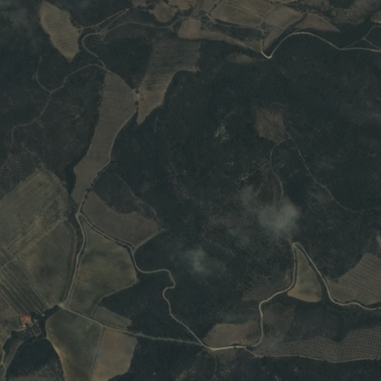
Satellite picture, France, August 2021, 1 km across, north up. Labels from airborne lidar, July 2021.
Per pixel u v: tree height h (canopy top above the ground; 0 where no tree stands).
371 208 8
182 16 0
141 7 6
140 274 6
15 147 0
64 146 0
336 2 0
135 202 0
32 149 0
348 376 0
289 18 0
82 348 0
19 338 11
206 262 0
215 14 0
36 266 0
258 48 0
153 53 0
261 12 0
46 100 0
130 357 0
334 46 0
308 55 0
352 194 7
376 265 0
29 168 0
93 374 0
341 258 0
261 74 0
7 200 0
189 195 0
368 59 0
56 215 0
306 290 0
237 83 0
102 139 0
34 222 0
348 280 0
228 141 0
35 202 0
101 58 5
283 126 0
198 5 0
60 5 0
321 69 0
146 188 0
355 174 6
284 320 0
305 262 0
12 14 0
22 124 0
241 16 0
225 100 0
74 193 0
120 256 0
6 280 0
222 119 0
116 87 0
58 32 0
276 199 0
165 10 0
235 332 0
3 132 0
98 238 0
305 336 0
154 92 0
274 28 0
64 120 0
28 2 0
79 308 0
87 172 0
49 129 0
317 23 0
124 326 0
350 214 6
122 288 0
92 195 0
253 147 8
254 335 0
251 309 0
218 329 0
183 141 0
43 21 0
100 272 0
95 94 0
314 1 0
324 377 0
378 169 0
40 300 0
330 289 0
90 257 0
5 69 0
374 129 0
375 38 0
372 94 0
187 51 0
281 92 0
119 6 0
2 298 0
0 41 0
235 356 0
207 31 0
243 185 6
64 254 0
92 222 0
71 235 0
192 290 0
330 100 0
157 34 0
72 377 0
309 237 0
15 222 0
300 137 0
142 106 0
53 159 0
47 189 0
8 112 0
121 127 0
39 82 0
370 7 0
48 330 0
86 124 0
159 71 0
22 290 0
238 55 0
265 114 0
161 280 0
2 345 0
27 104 0
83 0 0
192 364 0
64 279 0
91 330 0
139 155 0
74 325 0
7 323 0
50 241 0
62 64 0
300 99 0
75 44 0
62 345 0
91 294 0
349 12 0
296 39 0
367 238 0
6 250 0
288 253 5
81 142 0
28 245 0
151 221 0
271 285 0
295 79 0
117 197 0
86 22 0
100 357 0
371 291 0
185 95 0
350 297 0
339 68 0
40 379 0
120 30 0
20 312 0
